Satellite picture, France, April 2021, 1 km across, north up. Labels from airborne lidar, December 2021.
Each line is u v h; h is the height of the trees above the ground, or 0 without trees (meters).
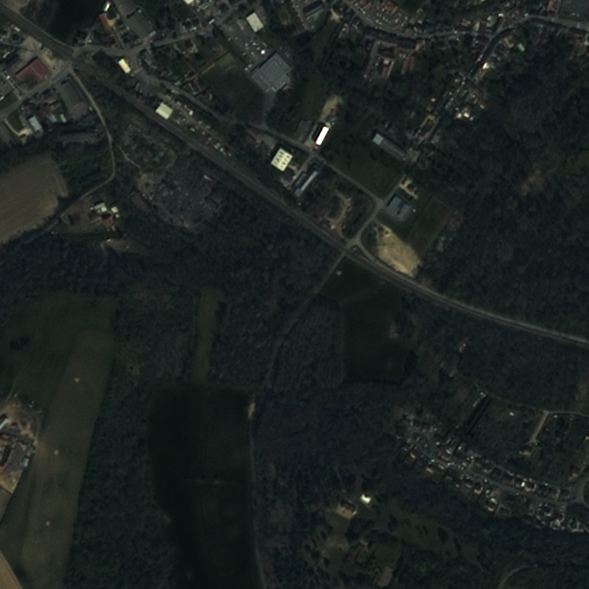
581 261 14
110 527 25
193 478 0
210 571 0
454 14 17
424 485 7
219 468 0
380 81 0
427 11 12
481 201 26
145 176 0
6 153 17
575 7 0
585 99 18
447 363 37
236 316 19
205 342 0
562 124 21
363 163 0
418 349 0
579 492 0
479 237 20
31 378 0
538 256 23
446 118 20
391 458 19
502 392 9
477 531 21
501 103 8
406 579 13
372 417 15
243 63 0
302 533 10
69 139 0
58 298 0
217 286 17
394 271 0
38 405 0
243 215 16
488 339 22
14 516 0
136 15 0
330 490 22
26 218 0
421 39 0
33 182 0
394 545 19
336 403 22
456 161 21
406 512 12
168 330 9
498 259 20
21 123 0
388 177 0
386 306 0
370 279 0
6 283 14
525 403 12
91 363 0
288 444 18
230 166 0
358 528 18
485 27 0
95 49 0
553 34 9
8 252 14
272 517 10
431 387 0
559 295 26
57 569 0
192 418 0
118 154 10
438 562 16
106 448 7
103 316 0
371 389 10
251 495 0
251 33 0
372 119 15
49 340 0
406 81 25
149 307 6
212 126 11
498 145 23
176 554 0
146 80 0
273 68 0
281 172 7
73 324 0
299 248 33
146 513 14
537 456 0
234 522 0
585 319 35
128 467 23
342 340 27
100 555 21
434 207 0
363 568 8
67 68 0
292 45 23
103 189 0
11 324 0
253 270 23
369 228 0
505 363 34
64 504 0
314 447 18
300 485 13
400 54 0
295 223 11
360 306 0
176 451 0
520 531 19
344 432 30
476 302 7
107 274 16
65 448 0
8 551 0
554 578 11
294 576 7
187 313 7
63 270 21
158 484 0
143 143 7
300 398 15
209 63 0
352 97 21
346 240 0
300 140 0
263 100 0
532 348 17
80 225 15
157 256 8
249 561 0
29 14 0
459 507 18
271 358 20
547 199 19
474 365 18
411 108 17
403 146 8
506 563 9
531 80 15
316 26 0
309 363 6
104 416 7
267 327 18
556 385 30
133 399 8
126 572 23
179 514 0
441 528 0
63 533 0
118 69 21
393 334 0
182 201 0
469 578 8
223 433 0
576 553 19
